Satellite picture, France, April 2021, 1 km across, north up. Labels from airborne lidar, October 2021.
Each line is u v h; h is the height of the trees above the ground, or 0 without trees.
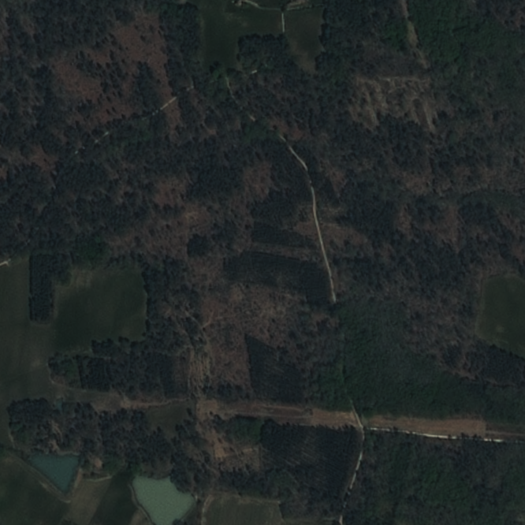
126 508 0
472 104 18
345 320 16
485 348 14
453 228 11
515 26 18
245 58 19
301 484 7
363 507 17
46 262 17
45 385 0
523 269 26
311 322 19
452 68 21
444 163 22
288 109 25
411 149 26
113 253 12
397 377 25
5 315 0
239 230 10
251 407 0
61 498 0
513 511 17
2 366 0
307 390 16
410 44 14
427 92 17
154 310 17
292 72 29
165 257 8
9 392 0
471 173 25
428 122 0
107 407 0
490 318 0
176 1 15
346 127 23
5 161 12
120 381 20
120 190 21
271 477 15
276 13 0
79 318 0
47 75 27
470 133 12
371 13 18
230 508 0
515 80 17
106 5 26
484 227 23
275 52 24
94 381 11
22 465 0
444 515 14
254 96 25
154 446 26
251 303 6
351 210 25
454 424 0
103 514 0
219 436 22
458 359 17
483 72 14
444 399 14
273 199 18
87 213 30
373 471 15
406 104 16
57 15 31
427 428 0
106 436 21
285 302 13
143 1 15
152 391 24
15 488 0
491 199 17
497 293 0
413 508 19
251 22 0
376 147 23
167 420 0
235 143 25
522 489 19
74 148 23
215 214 12
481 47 21
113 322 0
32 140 28
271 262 10
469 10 18
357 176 12
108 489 0
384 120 20
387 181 13
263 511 0
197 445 25
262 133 19
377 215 23
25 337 0
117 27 18
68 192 28
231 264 12
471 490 16
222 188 26
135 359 18
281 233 9
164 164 26
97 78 14
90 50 10
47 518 0
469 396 17
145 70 23
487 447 19
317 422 0
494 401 15
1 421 0
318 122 23
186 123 23
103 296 0
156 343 20
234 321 6
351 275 11
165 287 29
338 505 14
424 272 23
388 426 0
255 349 10
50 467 0
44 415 20
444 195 21
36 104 11
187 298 29
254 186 11
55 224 24
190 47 27
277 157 17
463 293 10
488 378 17
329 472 8
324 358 17
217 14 0
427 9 17
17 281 0
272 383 7
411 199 15
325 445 10
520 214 18
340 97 27
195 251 16
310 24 0
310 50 0
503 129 9
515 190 12
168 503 0
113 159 23
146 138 23
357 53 22
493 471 10
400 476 13
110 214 25
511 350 0
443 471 18
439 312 11
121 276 0
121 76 17
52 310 13
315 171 17
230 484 21
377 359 22
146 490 0
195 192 21
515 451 18
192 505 0
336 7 15
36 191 33
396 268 8
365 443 11
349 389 17
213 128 28
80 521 0
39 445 20
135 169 21
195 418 27
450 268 21
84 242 18
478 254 26
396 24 33
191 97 26
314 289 13
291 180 18
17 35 27
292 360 25
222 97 22
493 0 25
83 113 23
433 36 17
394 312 17
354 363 21
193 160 20
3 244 25
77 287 0
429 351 11
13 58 15
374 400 17
